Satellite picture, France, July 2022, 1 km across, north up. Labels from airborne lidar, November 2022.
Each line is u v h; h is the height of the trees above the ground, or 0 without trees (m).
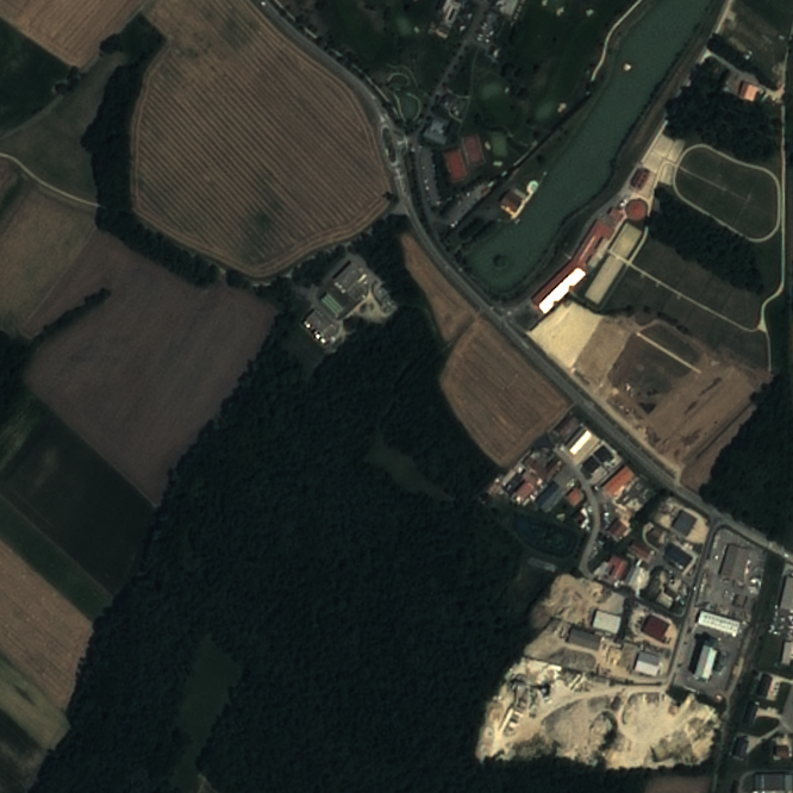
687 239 22
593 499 0
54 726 0
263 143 0
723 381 0
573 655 0
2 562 0
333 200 0
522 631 14
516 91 9
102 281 0
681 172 0
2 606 0
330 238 0
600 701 0
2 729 0
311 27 12
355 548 26
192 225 0
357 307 0
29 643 0
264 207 0
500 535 7
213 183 0
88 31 0
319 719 20
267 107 0
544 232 0
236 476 9
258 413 20
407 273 15
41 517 0
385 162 0
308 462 18
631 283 0
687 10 0
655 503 10
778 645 0
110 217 20
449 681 22
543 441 0
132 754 24
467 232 11
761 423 19
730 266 21
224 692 0
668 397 0
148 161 0
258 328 0
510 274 0
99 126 16
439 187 7
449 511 17
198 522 19
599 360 0
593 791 21
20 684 0
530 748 0
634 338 0
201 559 7
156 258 17
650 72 0
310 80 0
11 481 0
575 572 11
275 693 22
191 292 0
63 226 0
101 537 0
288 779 24
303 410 16
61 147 0
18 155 0
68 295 0
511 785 23
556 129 8
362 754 21
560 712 0
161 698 27
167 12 0
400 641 16
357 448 14
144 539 0
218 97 0
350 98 0
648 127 0
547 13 0
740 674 0
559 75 0
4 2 0
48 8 0
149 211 0
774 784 0
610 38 0
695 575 0
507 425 0
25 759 0
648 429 0
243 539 7
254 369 16
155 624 23
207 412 0
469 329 0
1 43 0
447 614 24
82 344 0
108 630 27
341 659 19
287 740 26
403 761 18
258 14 0
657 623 0
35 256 0
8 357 16
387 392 11
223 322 0
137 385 0
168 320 0
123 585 0
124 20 0
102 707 25
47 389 0
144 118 0
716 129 22
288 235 0
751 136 22
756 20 0
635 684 0
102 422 0
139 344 0
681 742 0
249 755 21
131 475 0
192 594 17
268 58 0
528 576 0
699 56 0
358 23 0
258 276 0
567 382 0
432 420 17
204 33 0
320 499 26
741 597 0
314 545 20
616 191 0
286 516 7
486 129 9
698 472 0
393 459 0
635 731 0
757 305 0
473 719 19
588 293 0
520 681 0
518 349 0
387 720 17
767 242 0
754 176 0
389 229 18
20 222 0
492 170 0
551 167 0
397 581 19
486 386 0
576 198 0
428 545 11
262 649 24
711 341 0
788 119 9
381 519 26
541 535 8
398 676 11
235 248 0
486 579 6
